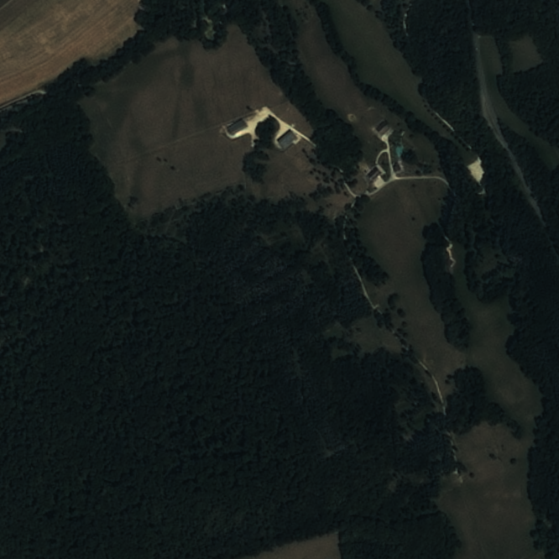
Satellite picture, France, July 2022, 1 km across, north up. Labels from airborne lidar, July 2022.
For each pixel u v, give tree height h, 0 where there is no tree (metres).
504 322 0
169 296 22
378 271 15
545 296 24
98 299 27
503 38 13
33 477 20
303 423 16
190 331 23
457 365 0
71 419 23
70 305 24
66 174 19
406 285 0
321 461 12
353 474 17
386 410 19
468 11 21
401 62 0
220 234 20
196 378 26
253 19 14
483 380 17
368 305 17
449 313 24
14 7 0
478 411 17
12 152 19
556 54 14
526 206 17
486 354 0
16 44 0
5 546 19
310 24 0
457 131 12
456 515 0
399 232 0
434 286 24
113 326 24
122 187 0
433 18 13
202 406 28
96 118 0
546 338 22
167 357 24
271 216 19
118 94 0
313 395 15
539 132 14
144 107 0
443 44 17
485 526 0
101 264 25
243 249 16
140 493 25
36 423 21
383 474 15
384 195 0
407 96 0
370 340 0
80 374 24
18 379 25
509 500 0
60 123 26
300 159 0
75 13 0
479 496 0
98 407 31
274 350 16
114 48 0
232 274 16
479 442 0
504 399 0
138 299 22
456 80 16
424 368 0
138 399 26
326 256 0
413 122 19
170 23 18
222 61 0
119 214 25
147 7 26
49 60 0
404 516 22
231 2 20
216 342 22
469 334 15
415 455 20
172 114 0
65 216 22
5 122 13
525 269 26
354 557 16
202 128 0
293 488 22
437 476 13
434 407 20
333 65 0
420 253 0
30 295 23
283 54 15
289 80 22
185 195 0
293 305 18
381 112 0
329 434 11
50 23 0
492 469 0
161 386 26
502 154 23
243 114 0
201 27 19
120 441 23
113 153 0
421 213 0
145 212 0
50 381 22
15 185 19
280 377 17
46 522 27
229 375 24
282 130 0
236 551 22
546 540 9
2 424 24
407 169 0
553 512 22
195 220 12
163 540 18
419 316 0
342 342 14
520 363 21
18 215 20
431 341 0
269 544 22
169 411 26
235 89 0
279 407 23
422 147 0
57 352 21
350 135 19
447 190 0
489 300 20
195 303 26
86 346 23
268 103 0
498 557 0
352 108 0
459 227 42
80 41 0
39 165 17
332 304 14
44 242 18
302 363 15
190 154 0
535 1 18
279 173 0
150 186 0
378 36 0
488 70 0
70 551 24
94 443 25
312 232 19
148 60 0
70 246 22
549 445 23
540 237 22
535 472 21
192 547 21
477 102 15
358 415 22
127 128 0
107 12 0
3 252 6
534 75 12
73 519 18
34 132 18
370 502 18
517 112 12
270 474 25
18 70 0
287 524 18
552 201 14
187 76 0
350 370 21
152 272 24
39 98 18
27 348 22
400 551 18
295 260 15
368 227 0
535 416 0
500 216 15
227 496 21
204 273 22
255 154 11
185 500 19
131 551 21
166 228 0
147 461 18
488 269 0
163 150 0
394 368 20
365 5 11
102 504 27
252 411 24
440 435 19
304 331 21
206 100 0
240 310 16
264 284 17
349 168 15
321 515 17
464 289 0
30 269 24
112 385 27
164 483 24
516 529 0
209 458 31
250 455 25
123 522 22
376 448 22
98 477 24
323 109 24
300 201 19
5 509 20
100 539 26
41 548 22
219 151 0
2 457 24
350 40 0
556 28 14
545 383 24
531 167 17
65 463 22
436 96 17
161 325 19
